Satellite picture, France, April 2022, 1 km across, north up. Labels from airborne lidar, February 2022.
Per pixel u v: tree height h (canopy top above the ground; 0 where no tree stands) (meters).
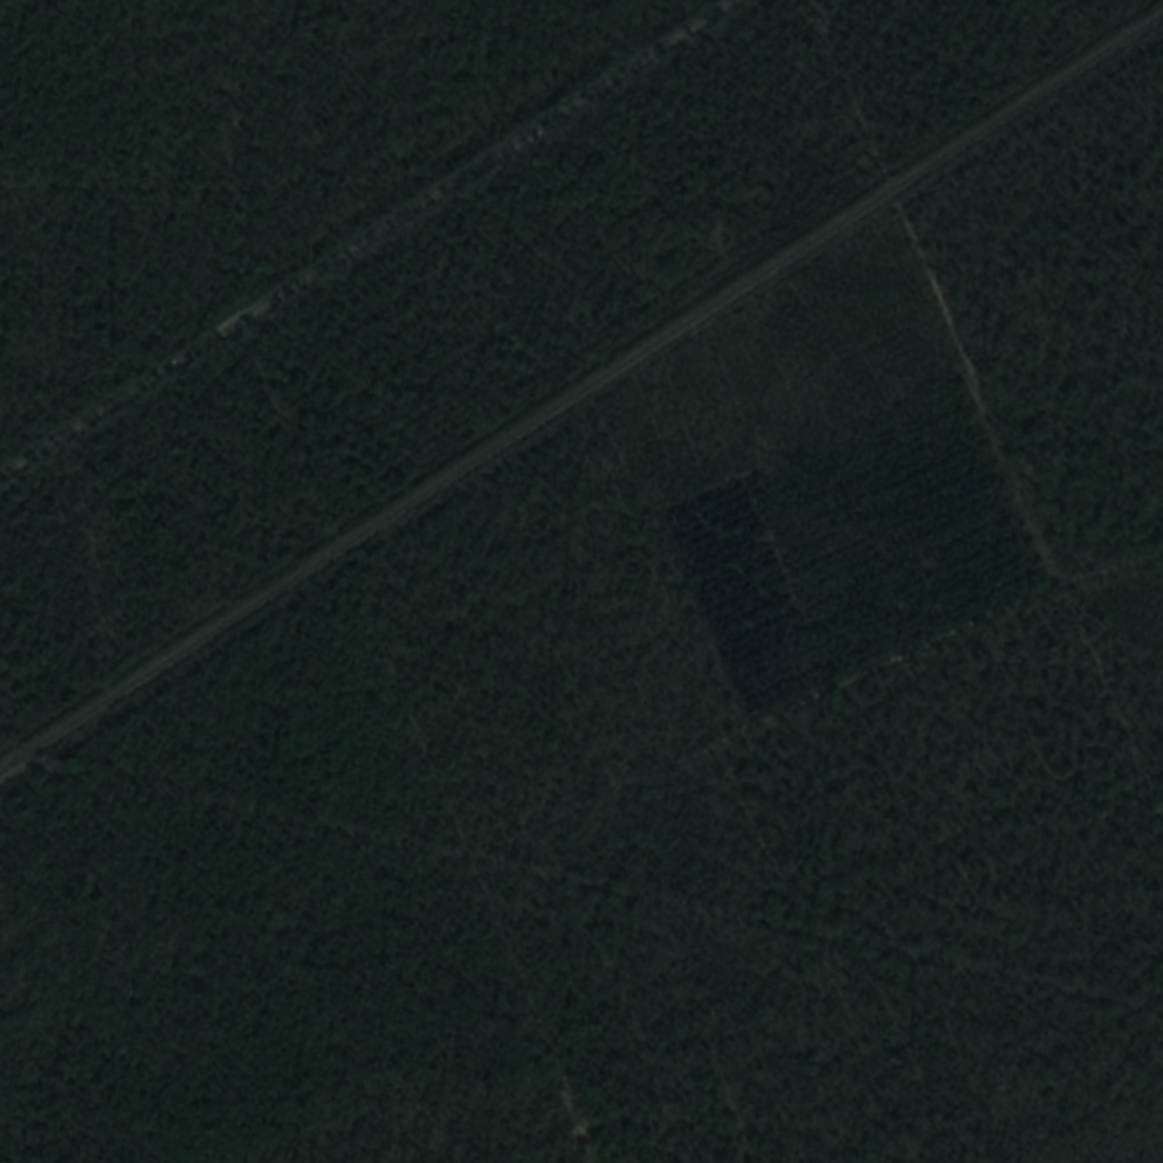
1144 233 16
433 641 8
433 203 14
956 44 16
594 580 18
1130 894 14
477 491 19
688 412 6
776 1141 14
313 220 14
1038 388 21
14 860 15
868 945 15
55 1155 12
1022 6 16
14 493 11
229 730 18
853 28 13
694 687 11
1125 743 20
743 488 11
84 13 16
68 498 11
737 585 9
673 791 13
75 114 18
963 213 11
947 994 17
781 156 19
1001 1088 20
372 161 16
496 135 11
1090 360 15
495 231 12
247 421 17
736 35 15
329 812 16
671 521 12
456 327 14
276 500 16
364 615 19
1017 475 19
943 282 18
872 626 13
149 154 15
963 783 18
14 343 20
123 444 14
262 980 18
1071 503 19
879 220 7
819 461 15
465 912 17
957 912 18
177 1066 15
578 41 16
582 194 16
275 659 16
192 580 16
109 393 10
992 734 16
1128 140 17
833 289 7
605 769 15
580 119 15
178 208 17
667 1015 15
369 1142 13
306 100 16
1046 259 16
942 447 8
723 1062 16
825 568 6
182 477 17
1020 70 12
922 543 17
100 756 16
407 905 17
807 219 15
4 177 13
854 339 7
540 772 12
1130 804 18
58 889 14
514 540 14
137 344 19
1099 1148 11
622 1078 16
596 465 17
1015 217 16
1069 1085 17
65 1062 13
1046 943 14
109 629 17
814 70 16
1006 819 15
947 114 10
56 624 10
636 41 15
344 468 13
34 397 14
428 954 16
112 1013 18
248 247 15
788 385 6
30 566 11
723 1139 20
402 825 15
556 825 15
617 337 10
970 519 17
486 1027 18
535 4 16
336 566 7
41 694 13
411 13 17
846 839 19
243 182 15
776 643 12
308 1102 17
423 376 13
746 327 8
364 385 18
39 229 16
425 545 19
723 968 8
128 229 16
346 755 18
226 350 16
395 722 17
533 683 7
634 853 19
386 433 16
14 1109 15
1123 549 21
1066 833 16
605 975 17
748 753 16
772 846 17
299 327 18
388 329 13
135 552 16
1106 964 7
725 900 14
